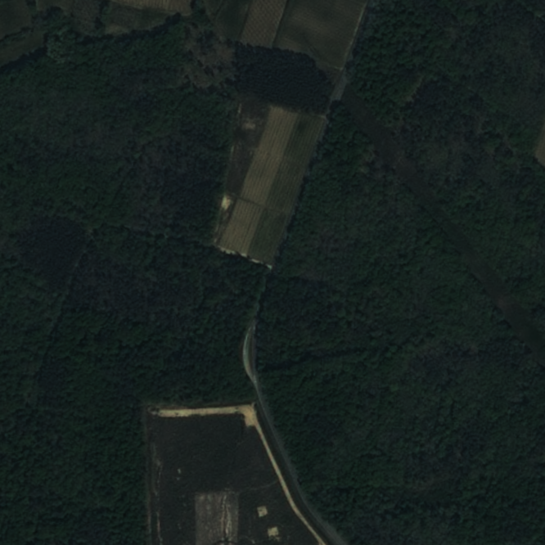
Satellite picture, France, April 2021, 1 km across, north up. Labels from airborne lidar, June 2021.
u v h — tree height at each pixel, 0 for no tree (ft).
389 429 42
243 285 58
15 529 78
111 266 53
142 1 0
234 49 65
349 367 74
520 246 62
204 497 0
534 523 74
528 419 66
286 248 60
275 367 29
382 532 48
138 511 46
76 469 49
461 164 40
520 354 43
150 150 40
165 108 73
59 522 77
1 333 63
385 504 53
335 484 72
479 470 73
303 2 0
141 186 60
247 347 0
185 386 85
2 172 86
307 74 67
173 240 68
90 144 43
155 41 73
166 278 77
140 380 72
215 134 45
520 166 48
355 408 78
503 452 79
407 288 73
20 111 66
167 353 86
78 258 43
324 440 74
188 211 69
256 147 0
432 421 47
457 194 70
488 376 73
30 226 54
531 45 35
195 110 52
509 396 65
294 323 79
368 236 55
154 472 0
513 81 68
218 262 52
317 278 45
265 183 0
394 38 53
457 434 29
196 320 47
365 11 0
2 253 40
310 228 41
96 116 54
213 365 83
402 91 79
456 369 41
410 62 78
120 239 58
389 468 59
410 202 41
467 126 73
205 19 80
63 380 80
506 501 73
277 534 0
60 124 49
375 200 61
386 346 37
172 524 0
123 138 60
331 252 43
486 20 63
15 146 77
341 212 71
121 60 82
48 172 73
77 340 83
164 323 48
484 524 80
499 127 62
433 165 42
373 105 40
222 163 45
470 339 59
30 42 0
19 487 54
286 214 0
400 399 54
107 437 61
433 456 43
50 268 47
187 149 37
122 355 66
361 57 65
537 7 62
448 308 71
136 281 67
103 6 28
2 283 77
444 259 78
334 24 0
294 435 66
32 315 68
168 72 76
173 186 69
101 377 66
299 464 69
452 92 72
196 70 89
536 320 56
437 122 63
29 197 64
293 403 83
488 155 75
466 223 61
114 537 69
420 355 19
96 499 58
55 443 54
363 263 71
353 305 72
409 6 53
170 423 0
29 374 45
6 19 0
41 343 58
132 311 75
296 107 51
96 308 39
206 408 0
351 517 59
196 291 79
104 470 59
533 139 52
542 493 65
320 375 84
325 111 67
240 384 49
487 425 78
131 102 74
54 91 80
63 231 51
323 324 84
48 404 69
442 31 64
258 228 0
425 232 84
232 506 0
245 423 0
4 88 56
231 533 0
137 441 54
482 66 43
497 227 79
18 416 58
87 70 75
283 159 0
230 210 0
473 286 74
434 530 66
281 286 89
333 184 64
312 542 0
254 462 0
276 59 71
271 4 0
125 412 62
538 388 82
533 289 96
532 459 61
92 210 70
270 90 68
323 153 68
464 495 76
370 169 55
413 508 23
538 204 51
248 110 0
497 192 69
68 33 68
